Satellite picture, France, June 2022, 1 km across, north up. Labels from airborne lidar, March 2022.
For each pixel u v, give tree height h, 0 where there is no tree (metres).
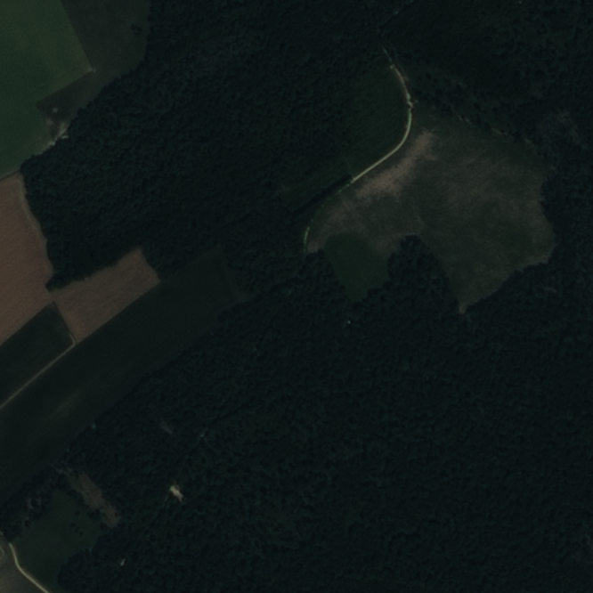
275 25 22
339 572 21
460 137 0
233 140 20
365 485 22
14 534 13
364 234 0
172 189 0
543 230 0
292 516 0
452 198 0
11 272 0
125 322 0
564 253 22
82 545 0
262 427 0
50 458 0
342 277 0
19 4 0
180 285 0
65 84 0
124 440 16
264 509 16
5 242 0
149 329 0
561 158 22
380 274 0
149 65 12
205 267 0
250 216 23
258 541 0
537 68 0
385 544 19
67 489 15
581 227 28
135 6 0
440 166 0
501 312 18
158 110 0
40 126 0
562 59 0
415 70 0
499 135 0
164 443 20
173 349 0
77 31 0
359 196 0
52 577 0
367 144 0
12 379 0
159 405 18
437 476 23
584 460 18
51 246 15
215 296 0
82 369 0
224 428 17
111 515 14
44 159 14
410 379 24
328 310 21
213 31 20
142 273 0
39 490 17
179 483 13
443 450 22
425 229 0
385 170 0
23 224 0
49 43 0
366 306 0
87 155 0
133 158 0
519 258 0
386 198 0
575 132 0
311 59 0
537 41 0
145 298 0
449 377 18
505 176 0
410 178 0
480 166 0
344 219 0
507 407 22
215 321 0
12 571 0
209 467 0
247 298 0
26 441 0
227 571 20
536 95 0
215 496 0
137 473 24
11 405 0
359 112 0
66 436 0
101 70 0
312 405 23
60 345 0
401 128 0
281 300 21
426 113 0
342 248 0
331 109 20
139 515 22
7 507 11
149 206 18
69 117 0
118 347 0
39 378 0
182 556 22
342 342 18
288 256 0
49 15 0
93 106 11
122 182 10
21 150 0
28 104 0
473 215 0
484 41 0
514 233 0
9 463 0
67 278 15
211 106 17
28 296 0
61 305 0
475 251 0
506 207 0
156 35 18
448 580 15
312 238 0
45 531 0
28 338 0
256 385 24
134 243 9
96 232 16
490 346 19
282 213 18
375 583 0
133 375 0
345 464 22
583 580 0
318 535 20
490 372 20
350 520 0
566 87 18
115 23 0
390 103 0
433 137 0
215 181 0
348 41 22
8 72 0
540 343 21
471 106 0
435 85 0
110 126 0
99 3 0
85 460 22
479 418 21
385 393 26
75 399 0
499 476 22
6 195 0
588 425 27
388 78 0
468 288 0
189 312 0
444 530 20
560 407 22
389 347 18
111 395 0
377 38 20
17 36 0
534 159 0
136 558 23
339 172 0
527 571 21
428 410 23
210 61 21
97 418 0
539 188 0
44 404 0
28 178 13
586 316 26
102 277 0
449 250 0
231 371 16
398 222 0
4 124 0
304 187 0
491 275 0
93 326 0
